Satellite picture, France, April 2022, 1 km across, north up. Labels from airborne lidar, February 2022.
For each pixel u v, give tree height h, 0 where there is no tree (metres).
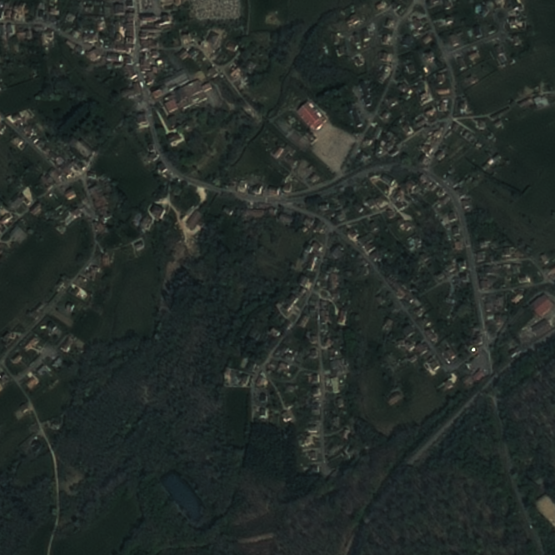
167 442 22
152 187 0
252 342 18
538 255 0
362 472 25
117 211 8
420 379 0
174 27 0
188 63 0
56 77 14
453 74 0
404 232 0
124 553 14
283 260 0
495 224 7
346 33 0
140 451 27
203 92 0
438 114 0
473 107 6
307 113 0
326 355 0
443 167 0
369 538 19
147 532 24
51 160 0
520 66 0
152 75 0
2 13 0
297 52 0
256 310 13
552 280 0
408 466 0
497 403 0
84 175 0
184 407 14
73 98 7
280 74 0
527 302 0
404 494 30
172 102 0
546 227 0
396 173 13
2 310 0
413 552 29
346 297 0
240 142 22
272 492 14
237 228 12
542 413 31
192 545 20
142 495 18
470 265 0
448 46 0
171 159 20
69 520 0
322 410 0
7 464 0
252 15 0
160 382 12
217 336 22
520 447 29
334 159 0
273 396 10
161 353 18
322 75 20
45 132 0
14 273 0
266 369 0
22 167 0
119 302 0
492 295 0
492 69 0
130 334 0
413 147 0
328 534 29
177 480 0
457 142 0
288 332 13
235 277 7
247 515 10
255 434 14
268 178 0
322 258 0
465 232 0
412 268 17
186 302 21
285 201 0
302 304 0
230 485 23
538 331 0
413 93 0
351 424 0
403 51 0
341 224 0
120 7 0
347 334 15
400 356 0
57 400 0
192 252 0
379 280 0
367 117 0
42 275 0
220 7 0
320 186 0
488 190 0
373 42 0
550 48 0
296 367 0
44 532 0
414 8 0
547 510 0
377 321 0
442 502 31
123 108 0
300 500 11
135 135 13
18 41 7
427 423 13
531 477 20
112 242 0
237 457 24
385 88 0
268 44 0
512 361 0
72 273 0
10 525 18
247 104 13
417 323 0
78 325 0
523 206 0
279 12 0
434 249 17
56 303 0
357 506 34
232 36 0
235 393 0
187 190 16
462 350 8
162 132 18
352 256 0
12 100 0
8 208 24
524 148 0
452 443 28
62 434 14
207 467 18
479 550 28
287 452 15
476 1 0
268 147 0
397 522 30
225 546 23
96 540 0
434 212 0
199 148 22
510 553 32
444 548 30
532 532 0
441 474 23
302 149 0
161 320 17
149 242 0
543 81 0
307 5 0
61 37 0
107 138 6
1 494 19
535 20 0
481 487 29
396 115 0
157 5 0
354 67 0
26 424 0
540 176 0
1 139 0
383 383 0
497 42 0
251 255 19
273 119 0
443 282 0
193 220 0
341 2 0
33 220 0
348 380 6
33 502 23
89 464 17
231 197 10
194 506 0
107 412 24
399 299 0
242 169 0
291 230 8
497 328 0
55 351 0
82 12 0
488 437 28
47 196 0
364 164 0
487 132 0
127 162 0
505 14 0
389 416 0
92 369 11
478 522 32
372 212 0
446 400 0
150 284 0
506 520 22
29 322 0
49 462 0
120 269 0
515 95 0
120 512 0
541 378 0
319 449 0
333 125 0
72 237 0
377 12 0
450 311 0
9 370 0
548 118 0
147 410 7
